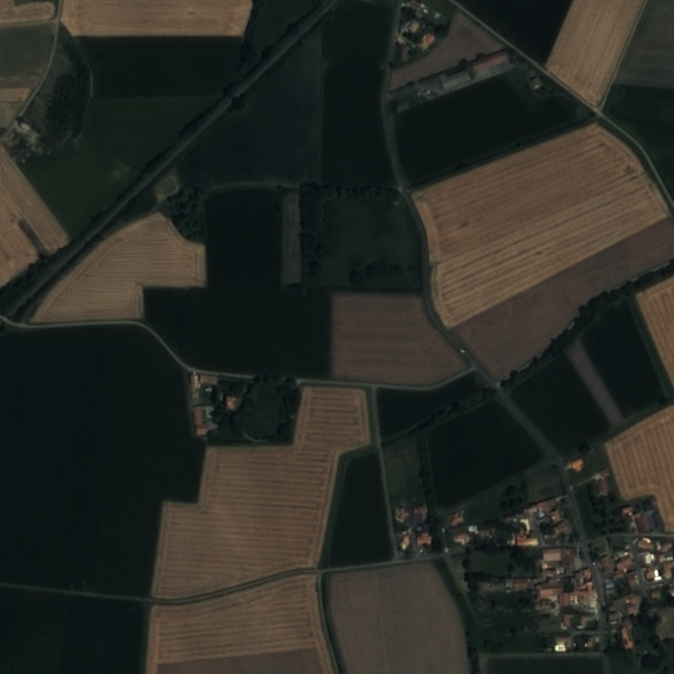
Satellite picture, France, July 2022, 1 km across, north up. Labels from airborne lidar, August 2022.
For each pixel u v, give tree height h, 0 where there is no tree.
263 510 0
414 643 0
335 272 0
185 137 12
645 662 13
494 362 0
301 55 0
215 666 0
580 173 0
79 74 9
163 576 0
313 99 0
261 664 0
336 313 0
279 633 0
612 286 0
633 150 0
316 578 0
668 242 0
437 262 0
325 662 0
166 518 0
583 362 0
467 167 7
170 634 0
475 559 0
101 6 0
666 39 0
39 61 0
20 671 0
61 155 0
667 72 0
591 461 0
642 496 0
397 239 0
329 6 0
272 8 0
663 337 0
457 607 0
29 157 0
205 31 0
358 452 0
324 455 0
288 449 0
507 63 0
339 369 0
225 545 0
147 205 0
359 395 0
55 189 0
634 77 0
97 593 0
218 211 0
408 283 0
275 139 0
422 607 0
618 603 0
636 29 0
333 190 13
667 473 0
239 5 0
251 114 0
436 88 0
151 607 0
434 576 0
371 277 13
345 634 0
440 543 19
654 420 0
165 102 0
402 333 0
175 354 0
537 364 18
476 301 0
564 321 0
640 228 0
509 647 0
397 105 0
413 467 0
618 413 0
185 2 0
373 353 0
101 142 0
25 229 0
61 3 0
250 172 0
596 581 0
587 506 0
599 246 0
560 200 0
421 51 0
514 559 16
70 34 0
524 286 0
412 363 0
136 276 0
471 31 0
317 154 0
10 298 12
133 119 0
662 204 0
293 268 0
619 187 0
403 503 0
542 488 0
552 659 0
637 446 0
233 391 16
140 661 0
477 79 0
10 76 0
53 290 0
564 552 0
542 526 8
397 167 0
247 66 21
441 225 0
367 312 0
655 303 0
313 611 0
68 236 0
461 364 0
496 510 0
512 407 0
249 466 0
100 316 0
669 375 0
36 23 0
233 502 0
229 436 0
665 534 0
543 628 0
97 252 0
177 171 0
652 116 0
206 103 0
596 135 0
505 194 0
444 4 0
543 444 0
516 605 0
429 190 0
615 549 6
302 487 0
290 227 0
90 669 0
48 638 0
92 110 0
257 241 0
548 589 0
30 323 0
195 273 0
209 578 0
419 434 8
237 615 0
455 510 0
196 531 0
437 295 0
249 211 0
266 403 0
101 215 12
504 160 0
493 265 0
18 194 0
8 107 0
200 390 0
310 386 0
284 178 0
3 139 0
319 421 0
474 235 0
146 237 0
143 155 0
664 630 0
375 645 0
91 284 0
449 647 0
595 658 0
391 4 0
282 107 0
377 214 0
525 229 0
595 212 0
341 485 0
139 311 0
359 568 0
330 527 0
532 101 0
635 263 0
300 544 0
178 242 0
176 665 0
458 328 0
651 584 0
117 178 0
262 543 0
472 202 0
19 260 0
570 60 0
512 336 0
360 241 0
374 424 0
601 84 0
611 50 0
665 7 0
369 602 0
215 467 0
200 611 0
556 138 0
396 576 0
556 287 0
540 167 0
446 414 11
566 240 0
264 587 0
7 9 0
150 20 0
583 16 0
